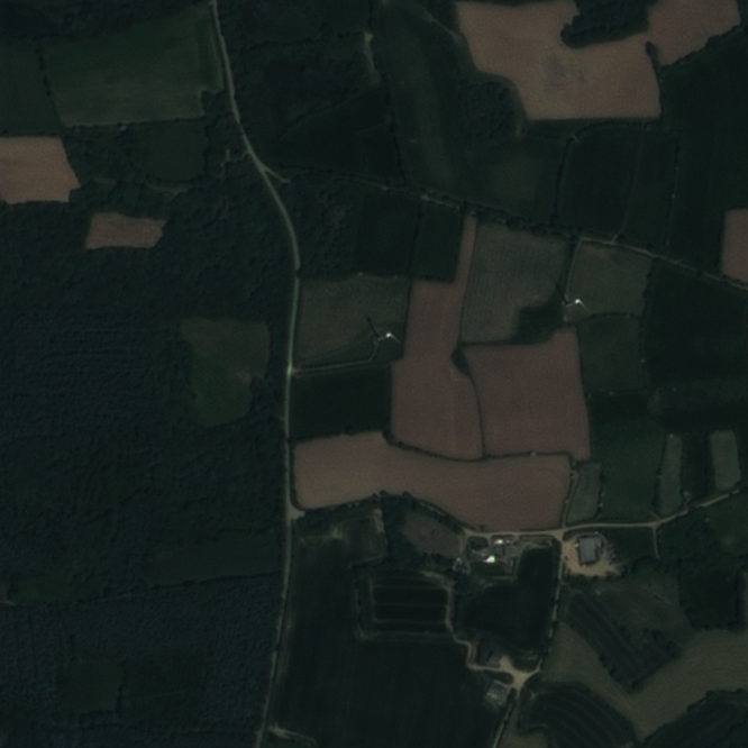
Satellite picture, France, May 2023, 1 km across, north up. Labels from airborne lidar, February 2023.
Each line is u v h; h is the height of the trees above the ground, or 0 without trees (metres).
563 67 0
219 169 6
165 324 10
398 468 0
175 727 14
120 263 15
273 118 0
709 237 0
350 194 8
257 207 12
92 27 18
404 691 0
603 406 0
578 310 0
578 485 0
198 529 10
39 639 14
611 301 0
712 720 0
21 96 0
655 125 6
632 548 0
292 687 0
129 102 0
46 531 12
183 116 0
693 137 0
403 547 13
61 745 9
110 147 0
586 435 0
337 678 0
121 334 12
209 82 0
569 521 0
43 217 20
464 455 0
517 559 0
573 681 0
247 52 12
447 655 0
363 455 0
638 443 0
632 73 0
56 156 0
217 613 18
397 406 0
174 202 7
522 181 0
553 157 0
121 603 15
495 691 0
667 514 0
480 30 0
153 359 15
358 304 0
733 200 0
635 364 0
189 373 7
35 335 17
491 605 0
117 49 0
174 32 0
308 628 0
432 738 0
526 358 0
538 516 0
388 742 0
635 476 0
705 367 0
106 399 18
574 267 0
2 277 14
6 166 0
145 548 14
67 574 8
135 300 14
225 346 0
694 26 0
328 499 0
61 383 16
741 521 0
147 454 13
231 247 9
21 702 14
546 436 0
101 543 15
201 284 12
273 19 0
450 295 0
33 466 14
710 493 11
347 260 8
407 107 0
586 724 0
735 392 0
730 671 0
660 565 12
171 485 12
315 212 14
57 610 8
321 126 0
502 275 0
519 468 0
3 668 15
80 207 11
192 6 10
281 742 6
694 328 0
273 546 0
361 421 0
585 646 0
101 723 14
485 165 0
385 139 0
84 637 13
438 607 0
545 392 0
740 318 0
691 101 0
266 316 9
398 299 0
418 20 0
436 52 0
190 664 14
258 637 18
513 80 0
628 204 0
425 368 0
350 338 0
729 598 0
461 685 0
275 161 0
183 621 14
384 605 0
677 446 0
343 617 0
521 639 0
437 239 0
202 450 7
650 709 0
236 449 6
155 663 11
